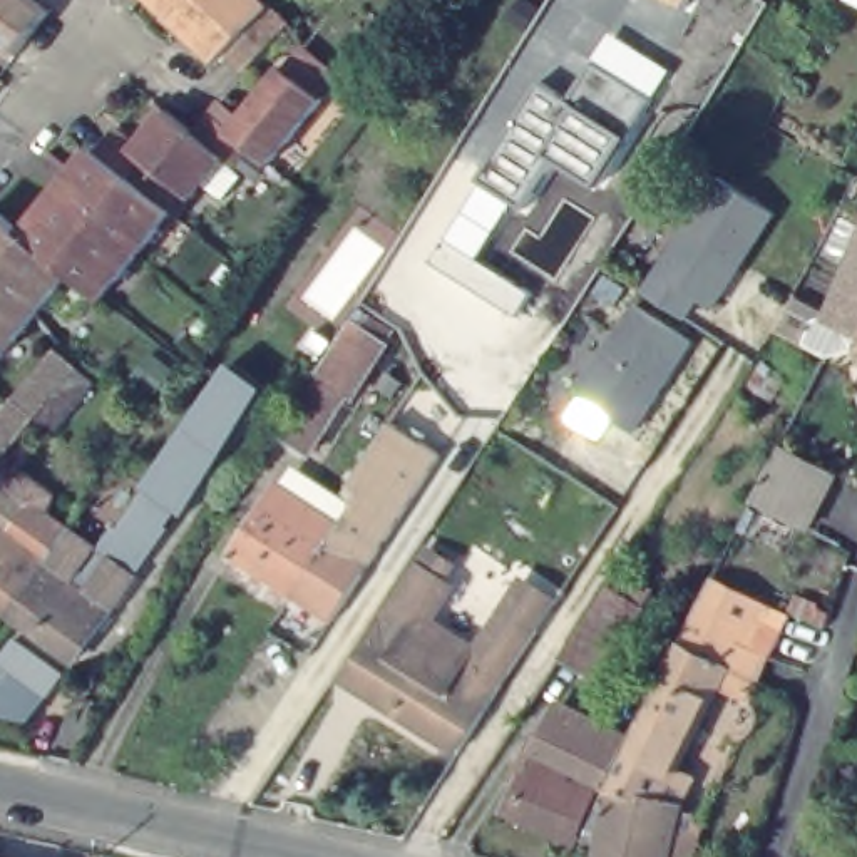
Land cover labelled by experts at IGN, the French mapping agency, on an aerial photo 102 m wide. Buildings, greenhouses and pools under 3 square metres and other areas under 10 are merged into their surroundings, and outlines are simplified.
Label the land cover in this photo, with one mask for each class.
<instances>
[{"label":"building","instance_id":"1","mask_svg":"<svg viewBox=\"0 0 857 857\"><path fill-rule=\"evenodd\" d=\"M44 20V10L33 0H0V57L7 50H17V40ZM194 60L204 64L211 57H234L248 67L254 57H268L275 33L285 23L275 10L261 7L258 0H141ZM559 0H519L509 20L519 33V47L509 57L512 64H519V57L529 50L549 10ZM663 70L649 57L626 47L619 37H603L599 47L572 72L569 90L552 94L546 87L539 97L526 100L522 114L505 121V144L499 147V164L482 161L475 167L479 191L455 218L449 241H439L432 248L429 268L502 315L522 311L519 301L526 291L479 261L485 238L492 234L502 211L532 214V184L559 167L579 174L576 181L586 191H603V181L616 171L603 157L609 154L613 141L626 131V121H636L649 97ZM328 64L298 44L281 64H268L261 84L244 97L238 110L208 107L186 131L157 107L144 104L137 127L124 147L114 134H107L74 167L64 161L60 174H54L40 187L27 211L0 224V355L7 358L10 348H20L23 341L20 328L30 321L37 308H50L60 295L100 301L110 288L114 271L127 268L131 258L147 244L154 238V228L171 234L177 224H184L191 211L204 214L214 201H224L228 187L234 184V164L251 167L258 177L264 174V167H271L285 157L288 147L301 144L308 127L328 107ZM509 70L492 74L485 80V94H479L475 100L465 127L455 137H442L429 151L422 171L435 177L432 187L462 157L472 131L482 127L495 94L505 87ZM770 211L736 194L723 177L713 187L706 184L703 211L690 228L673 234L666 254L649 268V275L639 285L643 298L666 308L676 318L690 311L703 315L706 308H723L750 271L740 261L763 231ZM834 278L824 291V305L810 308L797 301V285H790V295L780 301L783 321L770 338L797 345L800 331L807 328V318L817 315L820 325L850 338V352L837 358L847 372L857 365V218L850 221V241L844 258H830ZM619 288L609 278H603L596 288L599 308L616 305ZM331 338L308 335L301 338V348L311 355V375L295 385L291 405L305 415V425L298 435L281 439V452L288 445L301 452L305 445H325V429H331L338 408L348 402V395L358 388V382L368 375V368L378 362V355L395 335L388 321H362V308L352 301L331 318ZM686 352V338L666 328L663 321L649 318L639 305L623 321H606V331L596 325L586 331L572 348L569 362L552 375V405L562 415V429L593 439L596 445H603L616 425L623 432H633L656 415V408L666 402L686 365L680 358ZM723 352L713 348L706 368L690 385L683 405L673 412V418L646 452L626 489L616 492L572 459H566L559 449L522 432H512V442L519 449L532 452L552 472H562L603 502L623 509L646 482L649 469L663 459L673 435L693 412L696 398L716 375ZM94 388V378L77 375L74 365L64 362L57 352L40 355L37 372L30 378H20L0 398V442L13 445L30 422L57 425L74 402L84 408ZM174 368L161 365L157 355H144L141 365L131 368L134 378L147 382L151 388H161V382ZM750 392L767 402L780 398L773 368L757 365ZM251 398H261L231 368H214L208 388L181 415V425L171 432L167 445L137 479L134 505L117 519V526H110L97 542H84L74 532L50 516V499L30 479H13L0 489V619L10 629L40 643L44 649H50L54 656H60L64 663L77 666V649L90 636L94 616L100 609H110L121 589L127 586V576L114 569V559L121 556L141 566L154 539L161 536L164 522L194 492L208 475L218 449L231 435L238 415L248 408ZM395 392V382L392 375H382L375 395H388ZM368 449L358 452V462L341 475V489L328 492L305 472H281L278 465L258 479L248 509L241 512L234 532L224 542L234 549V582L244 586L254 599L281 609L288 603H298V609H308L311 619L305 629H318L335 609V603L352 609L362 589L378 572L398 532L405 529V522L412 519V512L418 509V502L425 499L429 485L442 472L445 455L429 452L418 442H408L398 429L385 425L382 432L362 435ZM757 489L750 492V502L760 509V526H767L763 546L780 549L787 536L807 532L810 526L830 482V472L797 459L793 449H777L763 465L753 479ZM469 582V562L462 556L442 559L435 542L432 529L425 532L412 559L402 566L398 579L385 593L362 639L341 659L338 673L325 683V690L335 696L345 690L375 710L395 713L402 726L425 736L439 750L435 757L452 773L465 750L482 736L489 720L499 713L502 700L509 696L512 683L519 680L522 666L536 653L539 639L552 626L569 593L566 586L532 569L529 579H519L505 589L489 623L475 626L472 639H459L439 626L435 613L455 609V599ZM649 593L643 582L636 593H613L603 582L586 613L579 616V623L572 626V633L566 636L562 649L556 653L549 673L539 680L532 700L512 716L509 733L495 747L492 760L482 767L472 790L455 807L452 820L445 824V834H455L469 824L475 797H482L492 770L505 763L509 750L522 736V726L529 720L542 726L539 740L532 743L522 773L514 778L495 817H505L516 830H539L562 857H690L700 840L703 824L680 810L683 793L690 790V777L673 767V760L700 713L703 690H716L733 703H743L750 696V686L757 680L773 649L780 623L824 629V613L813 603L800 599L770 609L760 599L710 579L703 582L686 616L683 633L670 646L663 683L649 690L629 730H593L586 706L569 710L562 690L582 680L596 653V639L609 629V623L619 616H639ZM57 683V673L17 643L0 646V716L20 723Z\"/></svg>","mask_w":857,"mask_h":857},{"label":"impervious surface","instance_id":"2","mask_svg":"<svg viewBox=\"0 0 857 857\"><path fill-rule=\"evenodd\" d=\"M44 10V20L17 40V50H7L0 57V224L27 211L40 187L54 174H60L64 161L74 167L107 134H114L124 147L137 127L127 121H104L110 90H117L127 77H141L147 87L164 90L157 107L186 131L208 107L238 110L244 97V90L234 87L248 67L234 57H211L204 64L194 60L141 0H33ZM696 0H559L549 10L529 50L519 57V64H512L509 70L505 87L495 94L482 127L472 131L462 157L475 167L482 161L499 164V147L505 144V121L522 114L526 100L539 97L546 87L552 94L569 90L572 72L599 47L603 37H619L626 47L649 57L663 70H680L676 50L700 27L693 17ZM656 124V100L649 97L636 121H626V131L613 141L609 154L603 157L616 171L603 181V191H586L576 181L579 174L559 167L532 184V214L502 211L492 234L485 238L479 261L526 291L519 301L522 311L549 318L559 331L569 325L576 311H582L586 331L596 325L593 311L599 308L596 288L603 278L599 271L609 261L606 248H613L619 238L646 248L649 268L666 254L673 234L636 231V224L626 218L619 204V167L646 137ZM562 211L582 214L586 231L566 254L559 271H549L539 261H532L522 251V244L546 238ZM341 114L338 104L328 100V107L308 127L301 144L288 147L285 157L291 167H305L318 151L321 137L328 134V127ZM234 184L228 187L224 201H244L248 191L264 194L268 187L285 184V177L271 167H264V174L258 177L251 167L234 164ZM378 211L358 208L348 218L352 231H365L382 248L378 261L372 264L358 291H382L385 275L392 271L412 231L385 228L378 224ZM187 231L184 224H177L171 234L154 228V238L147 244L154 248V258L167 264H171V254L181 251ZM308 335L331 338V318L308 305L298 315ZM810 355L827 362L837 358L850 352V338L820 325L817 315L807 318V328L800 331L797 345ZM402 348L395 335L378 355V362L368 368V375L358 382V388L348 395V402L338 408L331 429H325V445H305L301 452L288 445L281 452L278 465L281 472H305L328 492L341 489V475L331 465H325V459H331V442L345 429L348 415L358 405H365L368 395H375L382 375H392L395 382L408 388V368L398 355ZM375 422L385 425L398 429L408 442H418L429 452L445 455L442 472L429 485L425 499L418 502V509L412 512V519L405 522V529L398 532L378 572L362 589L352 609L335 603V609L318 629H305L311 619L308 609H298V603H288L281 609L275 626L268 629L271 643L251 656L244 673L231 683V696L194 736L198 750L224 747L238 760V767L224 780H214L201 793H177L167 783L127 780L114 770L121 743L134 726L141 703L151 700V686L164 666L171 653V633H194V619L204 613L211 589L221 579L234 582V549L224 542L208 556L198 576L191 572L171 593L161 623L147 643L151 656L144 659L137 683L110 716L104 740L90 753V760L74 763L80 757V736L90 723V706L74 690H97L104 676V653L117 649V643L127 633H134L151 589L161 586V572L174 556V539L184 542L187 529L194 526V512L204 505V495L194 492L164 522L161 536L154 539L141 566L121 556L114 559V569L127 576V586L121 589L110 609H100L94 616L90 636L77 649V666L64 663L60 656H54L50 649H44L40 643L10 629L0 619V646L17 643L57 673V683L20 723V730L30 736L27 750L0 757V857H415L408 850L412 834H388L382 827H348L315 817L321 793L338 780L345 767L348 743L365 720L388 726L402 743L415 747L425 757H435L439 750L425 736L402 726L395 713L375 710L345 690L335 696L318 733L298 753L295 770L278 780L275 807H258L251 797L258 793L268 770L285 753L288 740L295 736V730L325 690V683L338 673L341 659L362 639L385 593L398 579L402 566L412 559L425 532L432 529L452 492L459 489L462 475L475 465L479 445L495 432V425L489 418H459L435 392H412L408 408L395 412L375 415ZM137 479L127 475L117 489H104L97 509L84 505L74 532L84 542H97L110 526H117V519L134 505ZM810 526L820 542H834L844 552V572L850 576L844 609L834 623L824 619V629L780 623L773 649L757 680L767 690L787 696L793 710L787 730L780 743L783 770L773 793L767 797V817L763 824H757L753 857H800L793 824L810 783L817 780V757L834 730V713L847 720L850 703L857 700V489H847L830 482ZM442 559L462 556L469 562V582L455 599V609L435 613L439 626L459 639H472L475 626L489 623L505 589L519 579H529L532 569L522 562L505 566L485 546L465 549L452 539L435 542ZM753 726L750 696L743 703H733L716 690H703L700 713L673 760V767L690 777V790L683 793L680 810L703 824L716 793V780L723 777L726 760L733 753V743L743 740ZM432 857H489L482 840H475L469 844L455 834H445L439 837V850Z\"/></svg>","mask_w":857,"mask_h":857},{"label":"herbaceous vegetation","instance_id":"3","mask_svg":"<svg viewBox=\"0 0 857 857\"><path fill-rule=\"evenodd\" d=\"M261 7L275 10L285 23L298 33V44L328 64L331 47L341 37L358 33L372 20H378L388 0H258ZM519 0H502L482 47L459 60L455 80L475 100L479 94H485V80L492 74L509 70L512 64L509 57L519 47V33L509 20ZM810 3L824 0H696L693 17L700 27L676 50L680 70H663L649 97L656 100V124L646 137L673 134L676 144H693V157L706 164V184L713 187L723 177L736 194L770 211L763 231L740 261L750 271L763 281L780 278L790 285H797V301L810 308L824 305V291L834 278L830 258H844L850 241V221L857 218V204L840 201L834 211L827 204V187L837 181V164H827L810 151L797 147L793 137H783L780 121L787 104L797 117H810L834 127L850 117V107L857 100V0H844L837 7L844 33L840 47H827V60H817L810 57L813 40L800 30V23L793 30H783L777 10L793 7L797 13H810ZM807 74H817V77H820V84H827V87L840 90V100H837L834 107H820V104H817L813 97H807V84H803V80H807ZM164 90L147 87L141 77H127L117 90H110L104 121H127L137 127L144 104L157 107ZM405 144L398 137V127L392 121H372L365 131L341 114L328 127V134L321 137L318 151L305 167H291L285 157L271 167L285 177V184L268 187L264 194L248 191L244 201H214L204 214L211 231L231 244V258L244 261V244L261 241L271 228H278V221L291 208H298V224L291 238L281 244L278 261L261 278L248 308L254 311L248 325L264 338L268 348H275L278 355H291L301 348V338L308 335L298 315L308 305V285L335 254L341 238L352 231L348 218L358 208L378 211V224L385 228L412 231L425 201L412 211L405 201H395L385 187V177L392 171L408 167L402 161ZM177 278H184L187 285L211 278V285H221L228 275L221 258L194 231H187L181 251L171 254V264ZM167 264L154 258V248L147 244L131 258L127 268L114 271L110 288L124 291L147 318H154L174 338H198L204 331L201 308L164 278ZM643 298L639 285L619 288L616 305L599 308L593 311L596 325L606 331V321H623L639 305ZM64 328L97 355V368H110L114 355H127L131 368L141 365L144 355H157L154 341L114 311L97 325L70 318ZM40 355H33L30 338L23 341L20 348H10L7 358L0 355V398L20 378H30L37 372ZM713 348V341H700L693 362L686 365L666 402L656 408V415L633 432L646 452L673 418V412L683 405L690 385L706 368ZM810 385L800 402L810 425H803V435L793 449L797 459L830 472V482L847 489L844 482L850 465L837 442V408L844 398L857 405V365L847 372L837 358L827 362L810 355ZM757 365L743 358L736 385L716 405L706 432L686 452L680 472L659 492L653 512L666 522H686V559L673 556L666 562L663 542L643 529L626 546L643 556V582L649 593L659 596L663 576L680 579L676 613L686 616L703 582L710 579L760 599L770 609L800 599L797 589L834 593L844 572V552L817 556L807 576H797V566L780 549L763 546L767 526H760V509L750 502V492L757 489L753 479L763 465H747L743 452L736 449L763 439L773 429L770 415L757 422L750 418V392ZM713 519H736V532L743 536L736 566L703 559V539L713 532ZM74 418L87 422L90 429L110 425L114 432H131V412L121 402V382L100 392L94 388L84 408L74 402L57 425L30 422L13 445L0 442V489L13 479H30L50 499L60 495V479L50 469V439H64ZM395 412L388 395H368L365 405H358L348 415L345 429L331 442V459H325V465H331L341 475L358 462V452L368 449L362 435L382 432L385 425L375 422V415ZM512 432H522L559 449L566 445L562 429V415L552 405L522 415L512 405L502 412V422L495 425V432L479 445L475 465L462 475L459 489L452 492L432 529L435 542L452 539L465 549L485 546L505 566L522 562L532 569L566 586L569 593L576 579L586 572V566L596 559V549L623 516V509L603 502L562 472H552L532 452L519 449L512 442ZM281 609L254 599L244 586L234 582L221 579L211 589L204 613L194 619V633L221 643L218 666L191 680H174L164 666L151 686V700L141 703L134 726L121 743L114 770L127 780L167 783L177 793H201L214 780H224L238 767V760L224 747L198 750L194 736L231 696V683L244 673L251 656L271 643L268 629L275 626ZM335 696L325 690L295 730V736L288 740L285 753L268 770L258 793L251 797L258 807H275L278 780L295 770L298 753L318 733ZM787 730L773 716L763 730L753 726L743 740L733 743V753L726 760L723 777L716 780V793L703 824L700 840H713V830L723 813L733 817V827L757 824H763L767 817V797L773 793L783 770L780 743ZM345 767H378L388 780L402 783L405 790H435L452 773L435 757H425L415 747L402 743L388 726L365 720L348 743ZM475 840H482L489 857H562L539 830H516L505 817H489Z\"/></svg>","mask_w":857,"mask_h":857},{"label":"deciduous trees","instance_id":"4","mask_svg":"<svg viewBox=\"0 0 857 857\"><path fill-rule=\"evenodd\" d=\"M502 0H388L378 20H372L358 33L341 37L331 47L328 64V100L338 104L341 114L365 131L372 121H392L398 127V137L405 144L402 161L408 167L392 171L385 177V187L395 201H405L412 211L425 201L432 187L435 177L422 171L429 151L442 137H455L465 127L475 100L455 80L459 60L482 47ZM844 0H824L810 3V13H797L793 7L777 10L783 30H793L800 23V30L813 40L810 57L817 60H827V47H840L844 33L837 7ZM298 44V33L285 23L275 33L268 57H254L248 67L234 87L244 90V97L261 84L268 64H281ZM803 84H807V97H813L817 104H820V107H834L837 100H840V90L827 87V84H820V77H817V74H807V80H803ZM783 137H793L797 147L810 151L827 164H837V181L827 187V204L834 211L840 201L857 204V100L850 107V117L834 127L810 117H797L787 104L780 121ZM693 144H676L673 134L646 137L619 167V204L626 218L636 224V231L673 234L690 228L703 211L706 184V164L693 157ZM609 261L599 271L603 278H609L619 288L639 285L649 275V268L646 248L619 238L613 248H606ZM114 311L154 341L157 355L161 365L174 368L161 382V388H151L147 382L134 378L131 368L127 355H114L110 368H97V355L64 328L70 318L97 325ZM254 311L248 308H241V315L221 338H211L204 331L198 338H174L154 318H147L124 291L110 288L100 301L60 295L50 308H37L30 321L20 328L23 341L30 338L33 355H40L57 352L64 362L74 365L77 375L94 378V388L100 392L121 382V402L131 412V432H114L110 425L90 429L87 422L74 418L64 439H50V469L60 479V495L50 499V516L74 532L84 505L97 509L104 489H117L127 475L137 479L167 445L171 432L181 425V415L208 388L214 368H231L261 398H251L248 408L238 415L231 435L218 449L208 475L194 492L204 495V505L194 512V526L187 529L184 542L174 539V556L161 572V586L151 589L134 633H127L117 643V649L104 653V676L97 690H74L90 706V723L80 736V757L74 763L90 760V753L104 740L110 716L137 683L144 659L151 656L147 643L161 623L171 593L191 572L198 576L208 556L224 542L234 532L241 512L248 509L258 479L278 465L281 452V439L298 435L305 425V415L291 405L295 385L311 375V355L301 348L291 355H278L275 348H268L264 338L248 325ZM586 331L582 311H576L569 325L559 331L556 345L536 362L512 405L522 415L552 405V375L569 362L572 348ZM767 341L773 368L780 398L767 402L750 392V418L757 422L770 415L773 429L763 439L736 449L743 452L747 465H763L777 449H793L803 435V425H810L800 402L810 385V355L797 345L770 338ZM837 442L850 465L844 482L847 489H857V405L844 398L837 408ZM643 529L663 542L666 562L673 556L686 559V522H666L653 512L643 522ZM743 536L736 532V519H713V532L703 539V559L736 566ZM780 549L797 566V576H807L817 556L844 552L834 542H820L810 526L807 532L787 536ZM643 556L626 546L606 559L603 582L613 593H636L643 582ZM850 576L844 572L834 593L797 589L800 599L813 603L824 613V619L834 623L844 609ZM680 579L663 576L659 596L649 593L639 616H619L609 623V629L596 639V653L582 680L562 690L569 710L586 706L593 730H629L649 690L663 683L670 646L683 633L686 616L676 613ZM221 643L194 633H171V653L164 666L174 680H191L218 666ZM753 726L763 730L773 716L787 730L793 710L787 696L767 690L757 680L750 686V696ZM800 857H857V700L850 703L847 720L834 713V730L817 757V780L810 783L793 824ZM30 736L20 730V723L0 716V757L27 750ZM435 790H405L402 783L388 780L378 767H345L338 780L321 793L315 817L348 827H382L388 834H412L418 830ZM757 824L733 827V817L723 813L713 830V840H700L690 857H753Z\"/></svg>","mask_w":857,"mask_h":857},{"label":"pervious surface","instance_id":"5","mask_svg":"<svg viewBox=\"0 0 857 857\"><path fill-rule=\"evenodd\" d=\"M479 191L475 167L462 157L432 187L425 201L412 231L392 271L385 275L382 291H358L352 301L362 308V321H388L395 335L402 348L398 355L408 368V388L395 382V392L388 395L395 412L408 408L412 392H435L459 418H489L495 425L502 422V412L512 405L536 362L556 345L559 331L549 318L522 311L502 315L429 268L432 248L439 241H449L455 218ZM790 295V285L780 278L763 281L750 271L723 308H706L703 315L690 311L676 318L666 308L643 298L639 305L649 318L663 321L666 328L686 338V352L680 358L686 365L693 362L700 341H713V348L723 352L716 375L696 398L693 412L673 435L663 459L649 469L646 482L623 509V516L596 549V559L586 566V572L576 579L569 593L552 626L539 639L536 653L522 666L519 680L512 683L509 696L502 700L499 713L489 720L482 736L465 750L452 773L435 790L418 830L412 834L408 850L415 857H432L439 850V837L445 834V824L452 820L455 807L472 790L482 767L492 760L495 747L509 733L512 716L532 700L539 680L549 673L556 653L562 649L566 636L572 633V626L579 623V616L586 613L603 582L606 559L626 546L643 529V522L653 512L659 492L680 472L686 452L706 432L716 405L736 385L743 358L757 365L773 368L767 341L770 338L783 321L780 301ZM566 445L559 449L566 459H572L616 492L626 489L646 452L633 432H623L616 425L603 445H596L593 439L562 429ZM542 726L529 720L522 726V736L509 750L505 763L492 770L482 797H475L469 824L455 834L469 844L475 840L489 817H495L514 778L522 773L532 743L539 740Z\"/></svg>","mask_w":857,"mask_h":857},{"label":"brushwood","instance_id":"6","mask_svg":"<svg viewBox=\"0 0 857 857\"><path fill-rule=\"evenodd\" d=\"M298 224V208H291L278 221V228H271L261 241L244 244V261L231 258V244L211 231L204 214L191 211L184 224L187 231H194L221 258L228 275L221 285H211V278L187 285L184 278H177L171 264H167L164 278L201 308L204 331L211 338H221L241 315V308H248L261 278L278 261L281 244L291 238Z\"/></svg>","mask_w":857,"mask_h":857},{"label":"swimming pool","instance_id":"7","mask_svg":"<svg viewBox=\"0 0 857 857\"><path fill-rule=\"evenodd\" d=\"M586 231L582 214L562 211L546 238L522 244V251L532 261H539L549 271H559L566 254ZM382 248L365 231H352L341 238L335 254L308 285V305L331 318L352 301L358 291L372 264L378 261Z\"/></svg>","mask_w":857,"mask_h":857}]
</instances>
